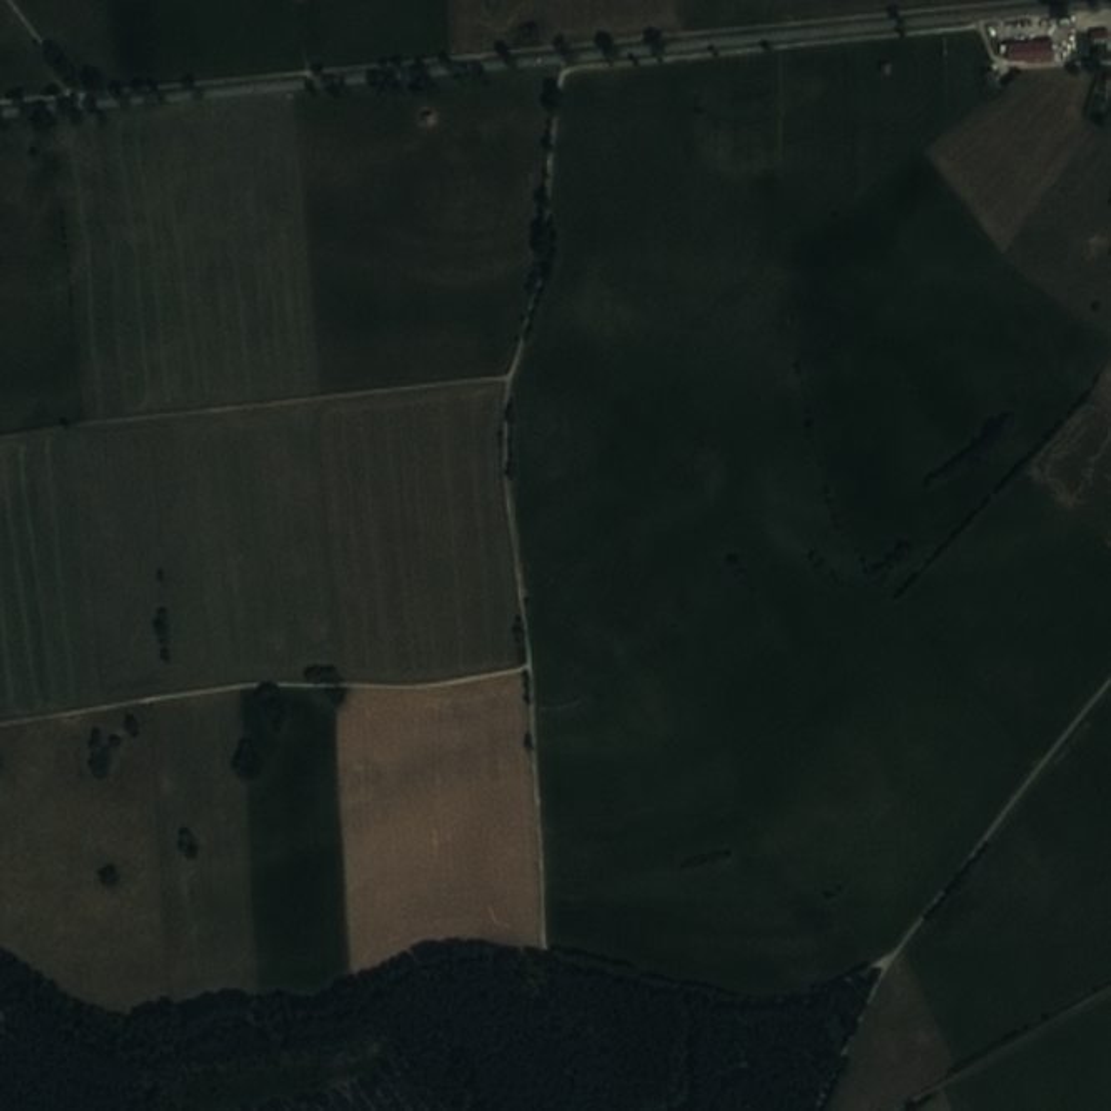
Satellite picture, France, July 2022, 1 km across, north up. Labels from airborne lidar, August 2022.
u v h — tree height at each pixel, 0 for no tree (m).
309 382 0
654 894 0
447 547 0
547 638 0
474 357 0
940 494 0
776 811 0
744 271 0
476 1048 25
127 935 0
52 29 0
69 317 0
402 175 0
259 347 0
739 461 0
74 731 0
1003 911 0
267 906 0
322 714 0
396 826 0
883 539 0
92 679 0
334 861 0
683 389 0
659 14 0
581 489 0
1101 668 0
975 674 0
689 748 0
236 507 0
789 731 0
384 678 0
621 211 0
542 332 0
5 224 0
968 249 0
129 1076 24
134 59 0
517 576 0
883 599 0
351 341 0
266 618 0
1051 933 0
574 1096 21
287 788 0
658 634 0
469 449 0
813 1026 22
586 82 0
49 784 0
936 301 0
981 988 0
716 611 0
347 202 0
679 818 0
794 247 0
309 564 0
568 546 0
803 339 0
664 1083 16
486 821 0
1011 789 0
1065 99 0
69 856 0
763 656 0
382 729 0
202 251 0
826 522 0
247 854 0
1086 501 0
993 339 0
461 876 0
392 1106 18
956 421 0
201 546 0
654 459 0
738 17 0
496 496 0
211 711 0
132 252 0
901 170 0
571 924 0
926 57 0
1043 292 0
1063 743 0
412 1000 24
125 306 0
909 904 0
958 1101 0
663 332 0
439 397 0
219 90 0
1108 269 0
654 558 0
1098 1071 0
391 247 0
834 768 0
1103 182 0
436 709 0
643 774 0
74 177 0
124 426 0
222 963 0
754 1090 22
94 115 25
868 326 0
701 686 0
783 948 0
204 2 0
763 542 0
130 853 0
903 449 0
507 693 0
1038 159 0
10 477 0
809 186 0
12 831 0
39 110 19
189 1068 26
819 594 0
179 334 0
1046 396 0
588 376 0
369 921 0
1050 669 0
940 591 0
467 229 0
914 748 0
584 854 0
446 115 0
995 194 0
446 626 0
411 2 0
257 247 0
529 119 0
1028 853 0
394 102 0
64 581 0
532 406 0
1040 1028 0
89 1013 13
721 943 0
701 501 0
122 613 0
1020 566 0
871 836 0
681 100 0
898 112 0
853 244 0
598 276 0
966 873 7
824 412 0
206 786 0
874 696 0
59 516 0
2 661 0
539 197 14
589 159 0
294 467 0
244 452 0
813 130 0
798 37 0
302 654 0
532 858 0
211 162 0
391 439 0
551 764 0
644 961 0
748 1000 7
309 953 0
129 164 0
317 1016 24
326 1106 24
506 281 0
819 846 0
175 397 0
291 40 0
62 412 0
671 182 0
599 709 0
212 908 0
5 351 0
